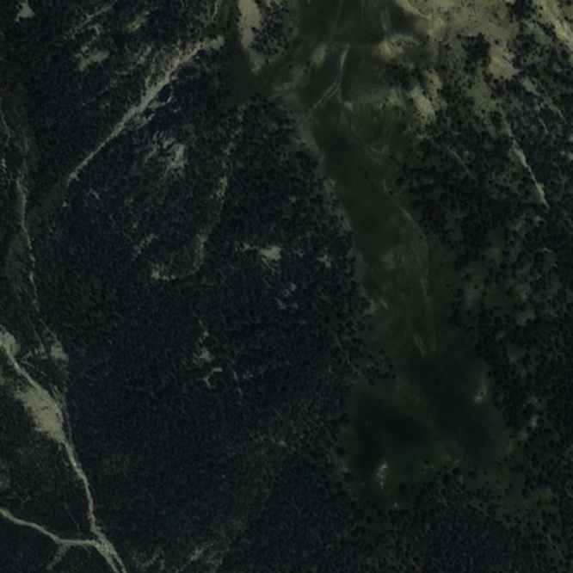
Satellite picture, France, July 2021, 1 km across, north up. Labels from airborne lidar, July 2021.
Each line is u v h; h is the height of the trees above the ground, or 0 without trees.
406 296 0
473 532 16
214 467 18
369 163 0
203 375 19
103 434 11
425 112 0
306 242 17
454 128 15
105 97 15
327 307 11
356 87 0
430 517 12
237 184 12
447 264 0
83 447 14
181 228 15
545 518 14
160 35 14
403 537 21
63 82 16
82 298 13
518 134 12
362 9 0
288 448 10
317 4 0
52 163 16
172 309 14
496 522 15
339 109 0
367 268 0
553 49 7
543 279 13
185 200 6
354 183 0
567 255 20
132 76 9
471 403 0
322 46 0
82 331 10
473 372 0
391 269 0
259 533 16
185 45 13
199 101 12
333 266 7
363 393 0
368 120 0
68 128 7
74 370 13
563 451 12
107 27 10
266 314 11
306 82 0
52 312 13
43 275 12
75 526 7
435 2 0
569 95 10
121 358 14
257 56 0
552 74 11
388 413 0
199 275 6
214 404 12
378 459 0
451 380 0
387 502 0
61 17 15
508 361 9
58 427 0
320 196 8
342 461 0
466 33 0
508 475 0
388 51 0
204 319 8
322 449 11
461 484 11
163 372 17
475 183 19
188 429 6
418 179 14
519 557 18
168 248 13
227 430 7
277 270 13
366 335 0
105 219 8
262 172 7
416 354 0
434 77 0
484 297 8
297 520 12
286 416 13
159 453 16
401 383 0
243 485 9
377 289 0
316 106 0
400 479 0
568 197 13
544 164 19
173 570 8
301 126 0
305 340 18
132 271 8
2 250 11
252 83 0
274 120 10
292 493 20
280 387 7
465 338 0
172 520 10
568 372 12
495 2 0
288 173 12
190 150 11
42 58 9
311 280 17
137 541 11
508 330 19
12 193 6
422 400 0
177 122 9
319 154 0
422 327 0
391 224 0
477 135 8
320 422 6
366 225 0
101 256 9
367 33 0
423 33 0
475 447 0
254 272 16
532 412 19
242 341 13
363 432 0
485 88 0
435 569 21
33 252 10
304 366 18
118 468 13
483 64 8
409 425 0
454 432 0
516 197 15
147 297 13
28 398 0
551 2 0
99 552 9
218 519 7
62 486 14
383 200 0
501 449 0
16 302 14
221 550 8
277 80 0
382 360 10
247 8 0
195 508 14
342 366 14
